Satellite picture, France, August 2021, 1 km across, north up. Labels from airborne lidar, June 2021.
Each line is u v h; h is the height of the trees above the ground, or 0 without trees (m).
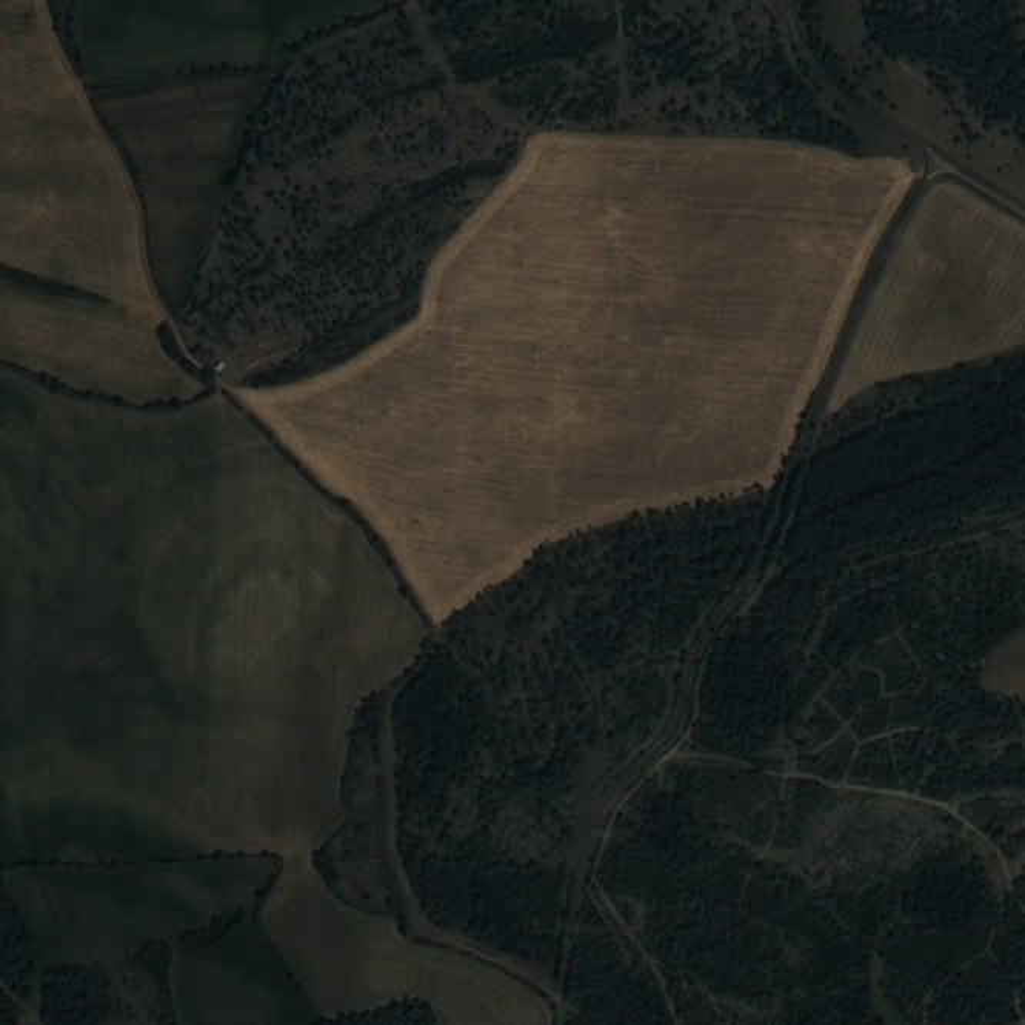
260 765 0
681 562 11
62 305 0
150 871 0
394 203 8
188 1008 0
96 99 0
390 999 0
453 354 0
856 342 0
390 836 0
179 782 0
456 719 10
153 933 0
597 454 0
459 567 0
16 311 0
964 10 10
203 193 0
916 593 9
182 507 0
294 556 0
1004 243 0
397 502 0
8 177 0
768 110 12
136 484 0
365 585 0
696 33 10
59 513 0
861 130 0
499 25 9
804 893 9
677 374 0
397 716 10
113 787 0
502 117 0
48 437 0
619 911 0
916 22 10
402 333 0
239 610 0
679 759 0
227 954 0
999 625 8
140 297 0
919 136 0
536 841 0
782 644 8
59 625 0
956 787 7
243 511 0
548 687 9
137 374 0
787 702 7
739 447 0
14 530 0
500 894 7
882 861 0
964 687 8
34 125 0
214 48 0
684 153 0
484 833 6
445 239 0
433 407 0
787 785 0
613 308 0
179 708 0
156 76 0
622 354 0
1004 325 0
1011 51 12
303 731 0
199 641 0
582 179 0
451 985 0
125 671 0
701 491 0
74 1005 11
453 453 0
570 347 0
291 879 0
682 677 7
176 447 0
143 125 0
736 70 7
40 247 0
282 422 0
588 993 12
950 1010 12
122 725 0
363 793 0
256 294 9
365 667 0
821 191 0
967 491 12
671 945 8
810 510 12
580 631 9
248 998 0
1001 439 14
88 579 0
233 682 0
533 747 11
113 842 0
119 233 0
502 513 0
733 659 12
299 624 0
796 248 0
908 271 0
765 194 0
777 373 0
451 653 13
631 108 0
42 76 0
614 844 0
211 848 0
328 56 0
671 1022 8
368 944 0
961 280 0
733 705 11
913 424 15
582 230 0
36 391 0
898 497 15
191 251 0
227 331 7
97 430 0
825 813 0
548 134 0
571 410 0
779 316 0
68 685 0
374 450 0
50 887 0
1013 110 9
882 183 0
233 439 0
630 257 0
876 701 7
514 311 0
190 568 0
